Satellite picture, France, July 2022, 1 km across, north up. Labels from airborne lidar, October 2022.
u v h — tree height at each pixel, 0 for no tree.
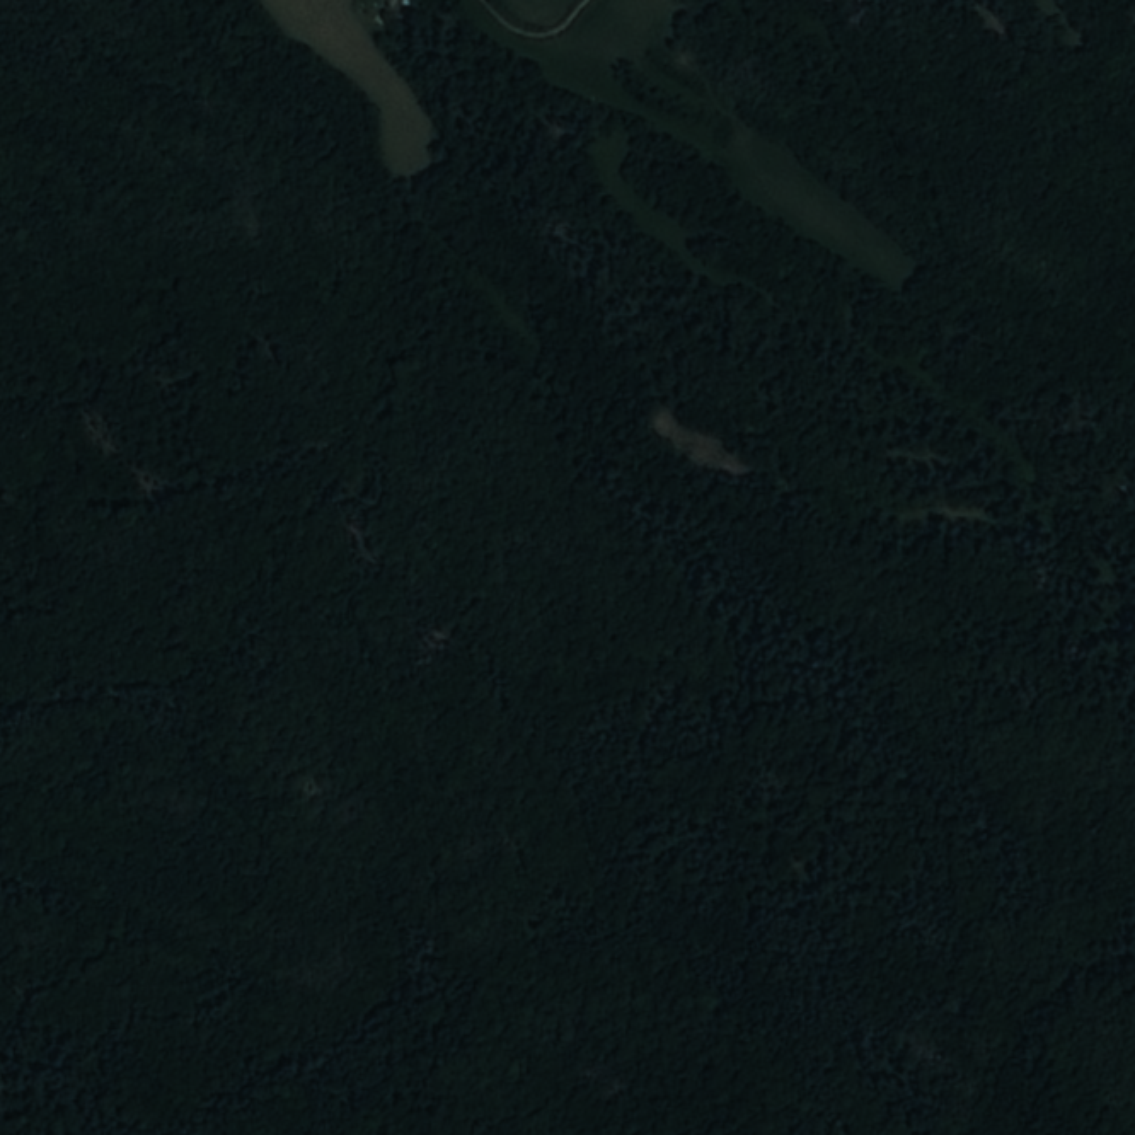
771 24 12
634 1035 18
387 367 13
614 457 15
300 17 0
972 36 18
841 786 11
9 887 28
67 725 15
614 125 17
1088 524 12
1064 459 16
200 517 18
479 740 10
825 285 14
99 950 10
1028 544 34
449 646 15
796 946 29
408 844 11
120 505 8
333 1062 24
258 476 15
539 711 14
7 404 14
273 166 20
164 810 9
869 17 17
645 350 20
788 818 15
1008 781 9
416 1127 16
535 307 11
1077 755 9
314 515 18
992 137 16
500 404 20
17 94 15
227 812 13
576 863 11
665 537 34
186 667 13
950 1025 20
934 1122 24
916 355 15
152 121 20
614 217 19
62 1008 15
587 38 0
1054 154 14
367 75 0
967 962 21
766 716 30
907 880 12
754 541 14
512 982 15
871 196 17
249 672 17
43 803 12
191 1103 14
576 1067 16
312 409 11
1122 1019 11
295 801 13
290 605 14
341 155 18
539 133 21
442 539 12
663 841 21
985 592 11
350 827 7
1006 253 6
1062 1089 20
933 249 16
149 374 16
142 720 23
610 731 6
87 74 12
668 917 20
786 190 0
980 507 14
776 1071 22
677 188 16
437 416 16
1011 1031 11
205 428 14
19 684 14
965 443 17
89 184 19
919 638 10
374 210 10
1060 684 12
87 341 15
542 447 20
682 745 23
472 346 14
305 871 10
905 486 27
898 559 27
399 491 10
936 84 14
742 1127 18
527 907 14
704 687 13
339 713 12
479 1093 13
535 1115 16
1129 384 16
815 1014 17
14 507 13
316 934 13
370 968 11
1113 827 12
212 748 19
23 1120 19
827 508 16
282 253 12
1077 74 19
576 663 14
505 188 20
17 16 13
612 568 17
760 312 19
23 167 7
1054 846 17
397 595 10
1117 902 18
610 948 20
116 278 12
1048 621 22
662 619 11
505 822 13
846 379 8
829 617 6
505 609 7
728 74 12
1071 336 14
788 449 13
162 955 15
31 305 11
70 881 13
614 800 19
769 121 14
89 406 18
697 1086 17
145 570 12
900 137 16
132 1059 16
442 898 18
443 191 14
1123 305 15
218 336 15
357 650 10
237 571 12
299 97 16
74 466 15
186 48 19
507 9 6
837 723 26
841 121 13
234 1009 10
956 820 24
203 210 16
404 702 11
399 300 21
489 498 13
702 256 17
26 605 6
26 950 15
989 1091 16
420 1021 22
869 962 20
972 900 14
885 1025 20
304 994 11
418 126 0
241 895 14
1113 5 17
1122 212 17
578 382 15
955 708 9
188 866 16
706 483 26
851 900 29
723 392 11
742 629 24
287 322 14
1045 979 11
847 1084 21
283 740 10
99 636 16
